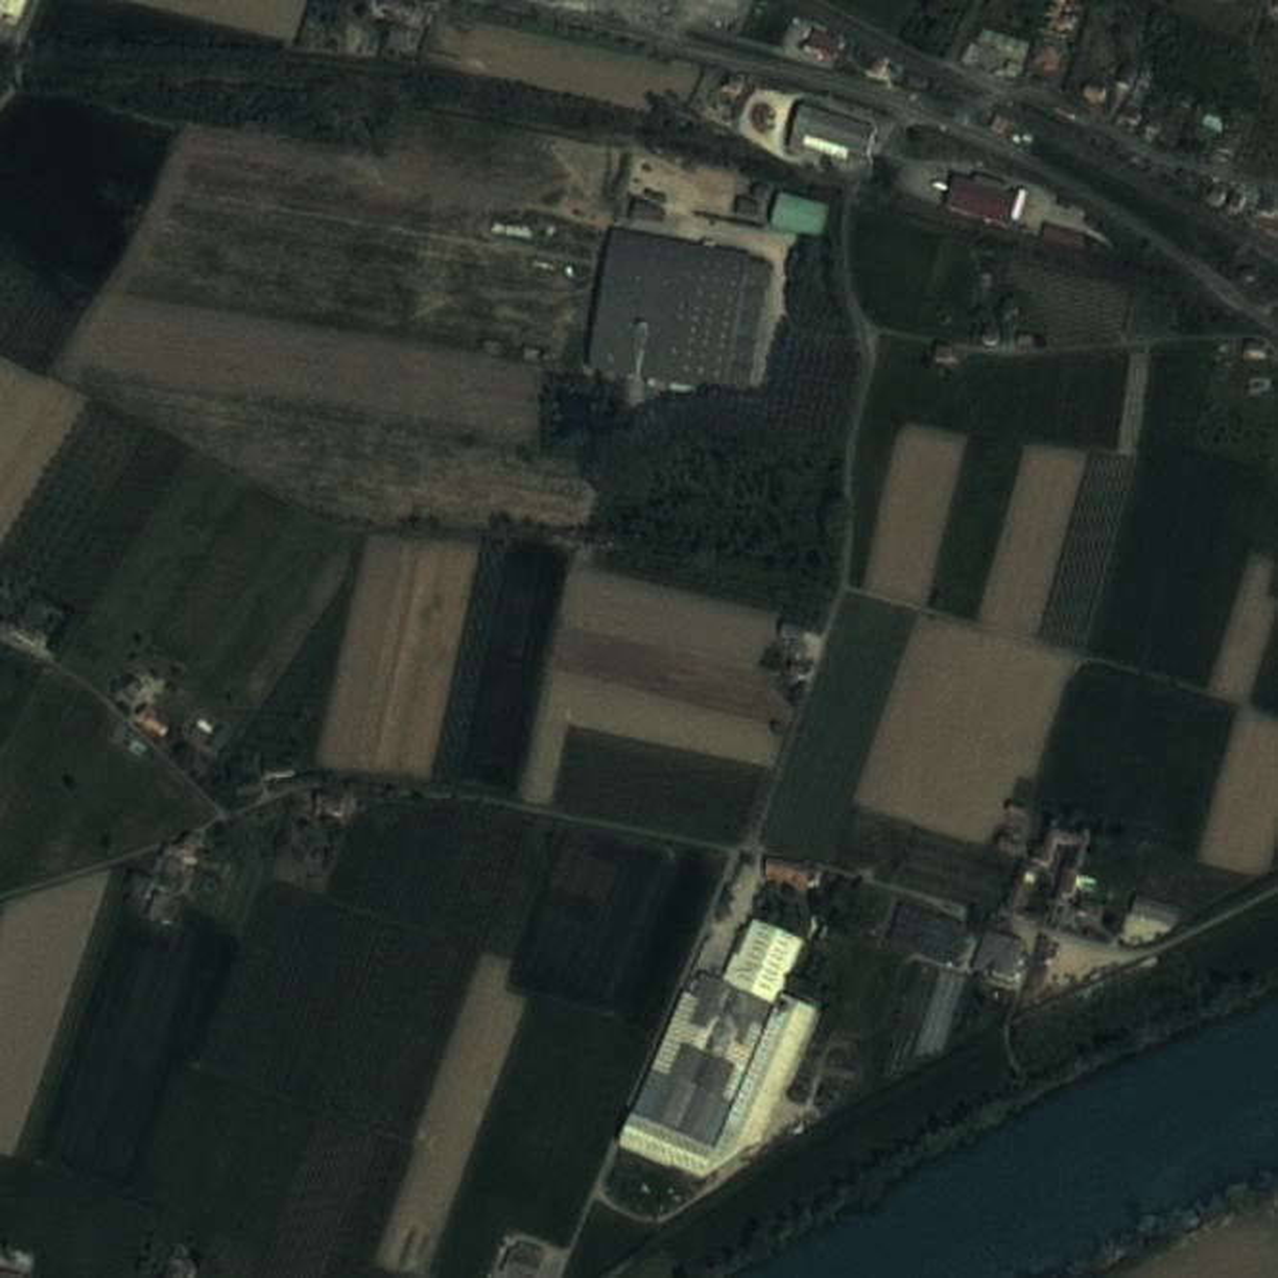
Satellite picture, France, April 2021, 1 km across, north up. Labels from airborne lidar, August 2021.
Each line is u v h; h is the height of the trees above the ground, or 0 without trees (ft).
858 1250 0
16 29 0
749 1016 0
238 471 0
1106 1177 0
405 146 0
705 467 98
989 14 31
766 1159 0
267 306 0
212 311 0
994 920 25
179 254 0
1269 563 0
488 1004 0
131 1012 0
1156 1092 0
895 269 0
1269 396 0
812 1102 0
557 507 0
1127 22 55
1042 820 0
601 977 0
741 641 0
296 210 0
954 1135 61
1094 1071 37
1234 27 0
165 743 35
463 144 0
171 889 36
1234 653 0
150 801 0
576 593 0
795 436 103
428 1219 0
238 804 0
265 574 0
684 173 0
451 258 0
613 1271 0
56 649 31
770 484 82
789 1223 37
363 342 0
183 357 0
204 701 0
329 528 0
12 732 0
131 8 0
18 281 26
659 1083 0
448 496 0
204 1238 0
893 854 0
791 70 0
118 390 0
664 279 0
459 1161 0
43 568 22
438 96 49
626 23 0
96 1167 0
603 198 0
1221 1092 0
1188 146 30
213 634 0
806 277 67
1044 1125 0
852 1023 0
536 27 43
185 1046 0
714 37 0
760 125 0
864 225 0
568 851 0
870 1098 0
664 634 0
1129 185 0
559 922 0
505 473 0
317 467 0
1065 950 0
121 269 0
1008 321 30
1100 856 47
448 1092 0
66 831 0
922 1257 0
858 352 77
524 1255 0
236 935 0
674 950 0
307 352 0
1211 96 20
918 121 0
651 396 0
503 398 0
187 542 0
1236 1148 0
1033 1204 0
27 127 0
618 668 0
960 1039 23
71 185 0
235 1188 0
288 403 0
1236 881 0
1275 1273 0
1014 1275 0
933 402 0
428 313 0
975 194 0
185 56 23
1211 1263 0
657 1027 0
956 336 0
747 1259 54
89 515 22
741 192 0
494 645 0
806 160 0
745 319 0
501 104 65
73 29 0
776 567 43
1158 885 0
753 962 0
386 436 0
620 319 0
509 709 0
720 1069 0
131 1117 0
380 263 0
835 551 45
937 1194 0
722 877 0
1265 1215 0
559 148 0
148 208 0
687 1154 0
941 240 0
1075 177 0
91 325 0
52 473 33
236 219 0
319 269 0
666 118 83
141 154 0
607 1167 0
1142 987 36
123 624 0
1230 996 94
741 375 0
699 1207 0
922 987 0
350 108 22
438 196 0
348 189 0
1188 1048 0
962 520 0
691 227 0
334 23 28
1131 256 0
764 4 0
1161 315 19
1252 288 0
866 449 0
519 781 0
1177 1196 0
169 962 0
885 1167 64
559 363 0
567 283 0
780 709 0
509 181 0
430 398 0
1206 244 0
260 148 0
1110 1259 57
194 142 0
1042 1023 43
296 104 28
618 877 0
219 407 0
